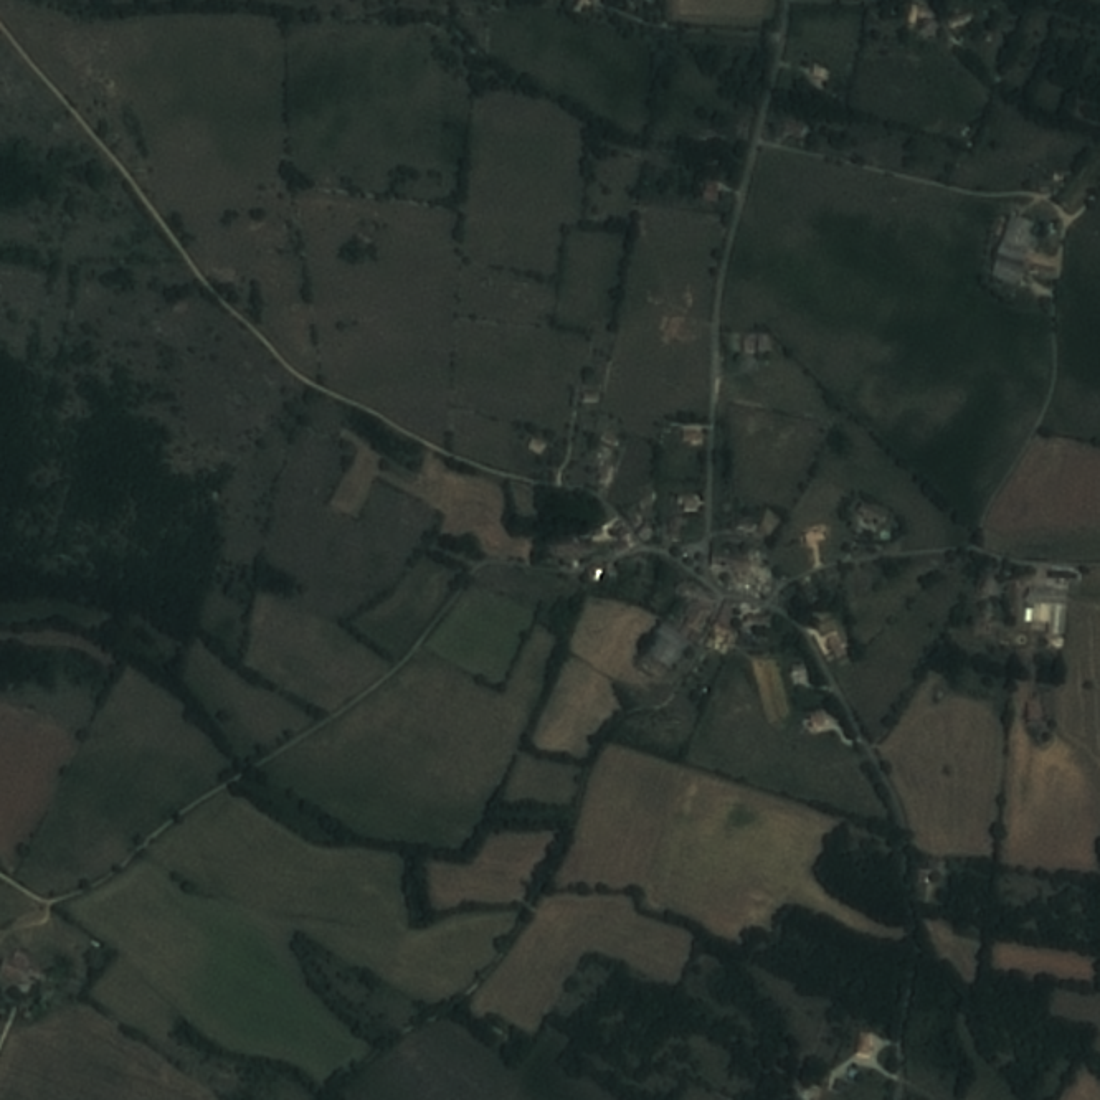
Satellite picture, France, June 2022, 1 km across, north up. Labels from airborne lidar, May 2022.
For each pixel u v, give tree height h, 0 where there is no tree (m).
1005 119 0
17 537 7
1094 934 11
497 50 0
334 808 0
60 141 0
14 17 0
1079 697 0
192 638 10
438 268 0
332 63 0
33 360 8
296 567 0
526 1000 0
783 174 0
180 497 7
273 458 0
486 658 0
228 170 0
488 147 0
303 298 7
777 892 0
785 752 0
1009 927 12
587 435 8
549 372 0
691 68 0
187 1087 0
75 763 0
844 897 16
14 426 10
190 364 0
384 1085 0
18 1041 0
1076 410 0
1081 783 0
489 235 0
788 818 0
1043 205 0
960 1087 10
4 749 0
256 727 0
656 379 0
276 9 6
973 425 0
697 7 0
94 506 7
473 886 0
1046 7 8
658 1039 8
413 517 0
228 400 0
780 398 0
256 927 0
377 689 0
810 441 0
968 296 0
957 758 0
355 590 0
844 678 0
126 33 0
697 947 10
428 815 0
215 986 0
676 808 0
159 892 0
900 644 0
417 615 0
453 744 0
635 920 0
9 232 0
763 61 10
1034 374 0
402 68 0
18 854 8
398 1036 8
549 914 0
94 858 0
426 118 0
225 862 0
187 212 0
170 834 0
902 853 8
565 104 11
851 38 0
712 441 0
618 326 7
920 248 0
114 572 8
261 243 0
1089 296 0
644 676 0
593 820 0
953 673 6
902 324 0
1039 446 0
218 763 0
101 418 7
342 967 0
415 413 0
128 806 0
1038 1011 11
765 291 0
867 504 7
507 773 6
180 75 0
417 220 0
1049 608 0
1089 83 8
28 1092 0
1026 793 0
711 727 0
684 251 0
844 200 0
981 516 0
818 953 9
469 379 0
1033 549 0
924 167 0
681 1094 7
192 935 0
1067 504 0
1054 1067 7
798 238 0
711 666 8
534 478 8
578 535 8
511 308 0
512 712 0
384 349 0
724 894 0
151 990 0
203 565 11
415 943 0
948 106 0
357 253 8
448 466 8
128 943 0
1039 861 0
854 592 0
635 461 0
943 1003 13
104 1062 0
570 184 0
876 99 0
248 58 0
